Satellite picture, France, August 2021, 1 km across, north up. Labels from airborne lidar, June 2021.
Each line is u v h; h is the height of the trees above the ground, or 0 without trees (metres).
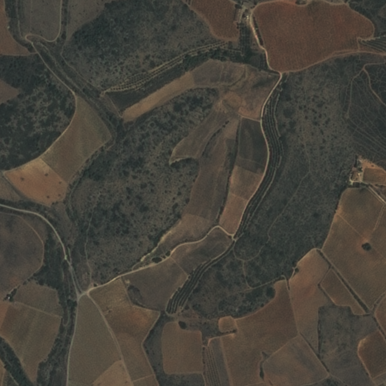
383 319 0
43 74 0
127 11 0
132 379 0
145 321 0
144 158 0
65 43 0
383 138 0
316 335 0
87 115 0
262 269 0
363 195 0
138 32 0
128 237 0
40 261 0
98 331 0
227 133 0
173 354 0
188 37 0
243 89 0
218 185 0
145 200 0
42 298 0
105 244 0
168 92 0
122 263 0
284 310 0
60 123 0
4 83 0
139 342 0
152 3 0
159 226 0
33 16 0
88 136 0
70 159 0
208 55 8
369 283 0
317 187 0
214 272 0
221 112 0
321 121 0
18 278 0
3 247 0
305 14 0
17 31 0
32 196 0
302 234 0
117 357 0
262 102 0
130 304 0
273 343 0
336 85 0
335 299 0
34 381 0
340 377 0
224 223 0
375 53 0
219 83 0
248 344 0
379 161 0
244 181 0
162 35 0
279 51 0
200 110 0
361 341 0
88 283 0
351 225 0
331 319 0
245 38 7
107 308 0
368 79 0
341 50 0
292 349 0
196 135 0
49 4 0
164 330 0
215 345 0
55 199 0
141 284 0
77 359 0
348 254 0
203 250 0
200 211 0
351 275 0
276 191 0
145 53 0
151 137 0
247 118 0
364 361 0
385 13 0
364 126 0
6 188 0
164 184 0
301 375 0
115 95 0
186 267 0
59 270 0
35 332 0
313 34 0
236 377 0
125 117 0
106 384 0
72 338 0
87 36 7
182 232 0
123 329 0
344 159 0
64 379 0
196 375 0
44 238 0
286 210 0
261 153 0
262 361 0
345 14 0
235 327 0
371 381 0
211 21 0
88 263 0
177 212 0
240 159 0
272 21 0
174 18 0
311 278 0
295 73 0
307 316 0
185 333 0
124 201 0
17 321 0
